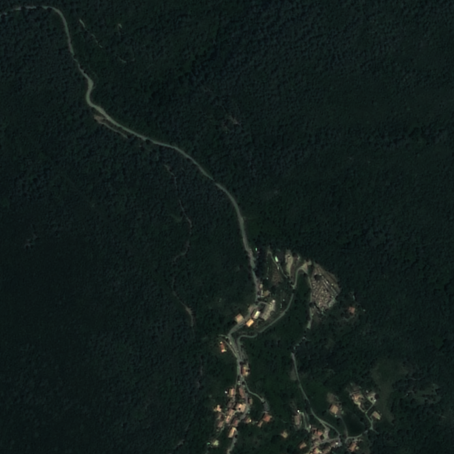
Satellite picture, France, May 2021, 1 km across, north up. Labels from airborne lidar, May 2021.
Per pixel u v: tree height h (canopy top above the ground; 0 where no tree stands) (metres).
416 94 11
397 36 8
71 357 15
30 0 22
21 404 14
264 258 28
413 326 13
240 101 8
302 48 15
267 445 6
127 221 14
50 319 13
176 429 16
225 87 23
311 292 7
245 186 16
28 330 10
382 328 8
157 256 15
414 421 9
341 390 11
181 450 15
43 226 12
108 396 11
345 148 7
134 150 19
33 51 18
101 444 15
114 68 9
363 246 16
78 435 12
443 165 7
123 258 13
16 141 11
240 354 0
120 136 18
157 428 14
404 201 9
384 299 13
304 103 13
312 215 14
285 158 24
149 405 5
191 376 19
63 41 20
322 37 22
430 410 8
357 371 14
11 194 19
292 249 7
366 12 11
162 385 11
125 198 16
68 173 7
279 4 27
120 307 10
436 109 7
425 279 14
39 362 14
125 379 18
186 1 9
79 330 14
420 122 13
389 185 11
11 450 12
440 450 12
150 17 12
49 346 11
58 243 16
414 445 11
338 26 11
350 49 10
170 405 11
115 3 17
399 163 7
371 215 12
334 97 9
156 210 15
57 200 14
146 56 12
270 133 19
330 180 10
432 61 7
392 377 0
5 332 11
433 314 11
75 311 14
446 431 11
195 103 15
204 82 20
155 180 21
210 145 15
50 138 13
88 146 25
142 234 18
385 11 6
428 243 14
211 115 13
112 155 14
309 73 12
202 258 9
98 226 15
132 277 11
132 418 21
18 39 19
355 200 13
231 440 6
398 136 26
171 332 6
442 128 20
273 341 9
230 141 22
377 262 18
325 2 13
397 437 8
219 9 22
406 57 8
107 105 12
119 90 18
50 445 15
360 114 6
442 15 18
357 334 8
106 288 14
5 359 11
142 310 16
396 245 22
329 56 10
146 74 11
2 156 12
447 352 16
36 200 14
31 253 16
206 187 23
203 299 9
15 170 6
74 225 9
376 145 18
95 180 10
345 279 8
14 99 6
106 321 15
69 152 16
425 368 12
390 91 11
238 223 13
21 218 17
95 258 13
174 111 15
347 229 16
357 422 0
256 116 11
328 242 14
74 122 18
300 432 10
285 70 16
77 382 13
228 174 15
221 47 17
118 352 19
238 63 18
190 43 11
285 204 6
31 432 11
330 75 10
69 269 15
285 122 10
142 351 19
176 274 10
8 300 12
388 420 0
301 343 9
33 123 11
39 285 14
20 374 17
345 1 13
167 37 14
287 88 12
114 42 14
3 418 13
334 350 8
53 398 13
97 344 22
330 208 16
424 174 11
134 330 15
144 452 18
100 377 15
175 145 8
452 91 7
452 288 20
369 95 8
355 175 14
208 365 10
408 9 20
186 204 15
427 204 11
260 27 14
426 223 8
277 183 10
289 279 9
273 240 10
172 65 6
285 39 21
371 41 8
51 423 14
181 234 7
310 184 13
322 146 7
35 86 20
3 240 12
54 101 16
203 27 7
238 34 19
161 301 17
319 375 9
